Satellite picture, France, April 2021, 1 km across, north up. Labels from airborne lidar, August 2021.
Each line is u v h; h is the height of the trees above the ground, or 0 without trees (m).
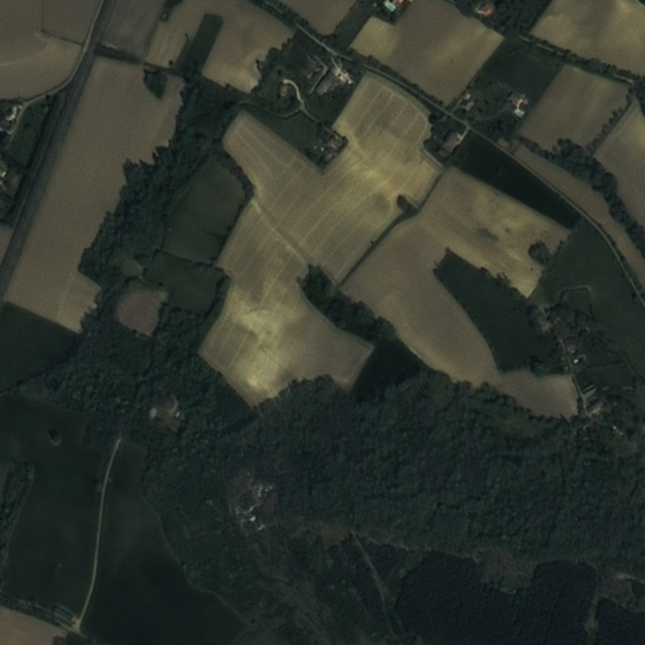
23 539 0
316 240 0
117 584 0
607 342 7
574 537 12
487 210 0
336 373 0
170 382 7
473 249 0
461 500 13
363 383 0
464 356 0
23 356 0
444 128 11
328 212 0
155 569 0
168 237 0
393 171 0
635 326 0
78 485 0
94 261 6
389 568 10
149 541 0
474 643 13
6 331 0
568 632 11
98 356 15
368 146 0
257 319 0
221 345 0
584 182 19
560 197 10
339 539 0
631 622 12
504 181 0
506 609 12
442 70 0
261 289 0
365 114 0
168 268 0
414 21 0
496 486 14
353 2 0
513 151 0
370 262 0
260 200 0
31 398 0
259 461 6
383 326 17
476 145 0
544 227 0
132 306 0
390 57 0
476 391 17
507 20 6
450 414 12
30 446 0
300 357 0
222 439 11
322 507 16
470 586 12
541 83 0
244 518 0
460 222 0
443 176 0
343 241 0
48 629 0
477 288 0
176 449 9
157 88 9
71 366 20
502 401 12
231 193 0
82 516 0
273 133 0
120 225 10
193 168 12
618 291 0
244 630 0
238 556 6
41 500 0
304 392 19
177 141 8
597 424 7
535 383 0
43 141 14
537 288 0
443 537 15
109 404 9
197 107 13
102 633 0
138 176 24
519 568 19
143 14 0
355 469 11
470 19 12
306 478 10
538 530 12
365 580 7
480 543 12
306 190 0
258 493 0
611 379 0
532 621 11
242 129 0
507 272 0
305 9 0
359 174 0
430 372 7
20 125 0
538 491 9
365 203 0
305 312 0
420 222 0
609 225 0
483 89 0
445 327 0
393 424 10
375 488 10
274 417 16
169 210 13
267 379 0
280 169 0
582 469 14
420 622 12
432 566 13
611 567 15
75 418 0
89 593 0
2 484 8
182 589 0
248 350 0
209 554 7
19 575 0
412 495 8
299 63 0
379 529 15
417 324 0
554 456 9
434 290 0
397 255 0
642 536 11
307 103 7
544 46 9
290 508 7
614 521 8
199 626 0
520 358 0
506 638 12
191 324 9
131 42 0
